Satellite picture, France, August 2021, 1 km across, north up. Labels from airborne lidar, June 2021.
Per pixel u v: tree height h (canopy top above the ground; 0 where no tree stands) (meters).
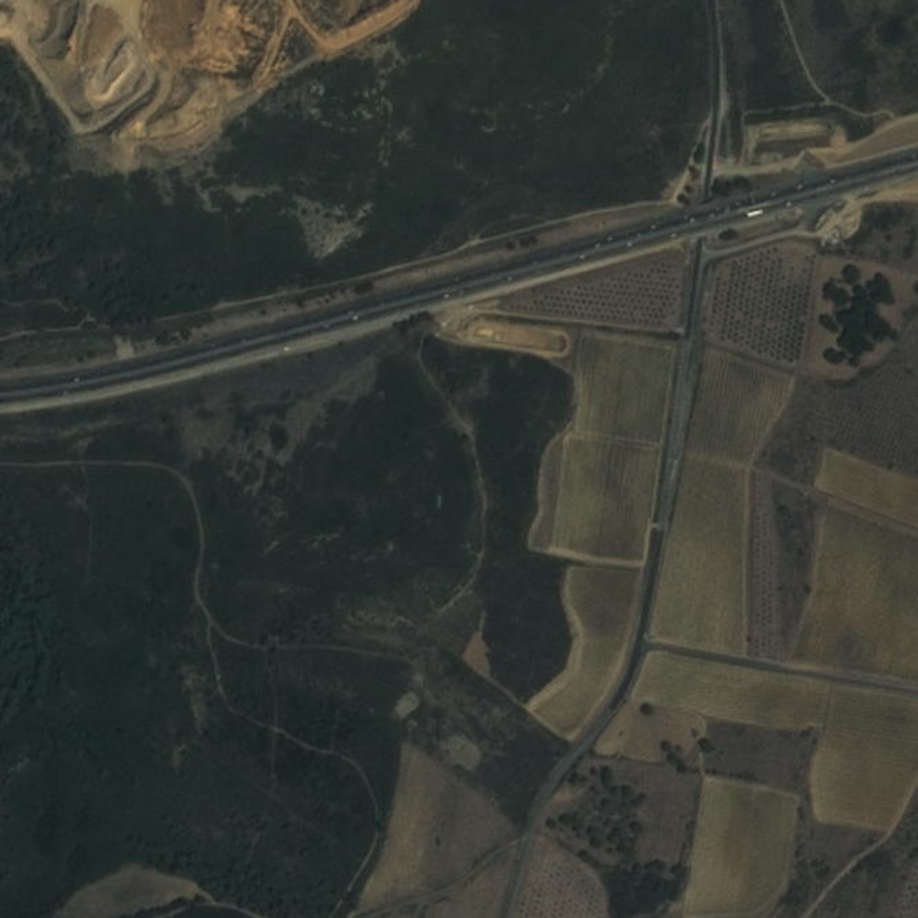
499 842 0
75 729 6
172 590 0
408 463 0
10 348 0
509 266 0
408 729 0
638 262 0
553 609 0
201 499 0
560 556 0
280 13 0
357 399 0
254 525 0
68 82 0
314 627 7
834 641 0
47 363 0
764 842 0
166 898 0
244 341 0
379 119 0
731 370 0
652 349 0
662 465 0
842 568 0
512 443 0
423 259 0
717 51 0
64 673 8
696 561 0
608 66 0
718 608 0
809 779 0
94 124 0
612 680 0
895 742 0
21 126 7
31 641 11
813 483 0
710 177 0
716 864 0
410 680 0
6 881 8
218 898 12
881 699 0
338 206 0
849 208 0
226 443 0
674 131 0
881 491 0
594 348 0
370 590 0
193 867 14
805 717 0
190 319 0
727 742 0
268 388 0
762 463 0
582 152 0
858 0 0
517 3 0
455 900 0
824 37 0
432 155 0
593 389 0
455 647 0
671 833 0
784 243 0
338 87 0
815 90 0
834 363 9
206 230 0
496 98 0
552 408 0
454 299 0
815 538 0
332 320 0
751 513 0
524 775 0
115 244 0
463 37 0
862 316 10
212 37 0
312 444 0
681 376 0
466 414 0
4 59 7
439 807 0
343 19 0
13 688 10
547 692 0
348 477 0
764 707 0
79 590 0
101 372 0
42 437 0
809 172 0
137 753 0
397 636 0
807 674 0
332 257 0
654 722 0
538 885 0
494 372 0
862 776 0
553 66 0
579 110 0
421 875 0
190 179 0
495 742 0
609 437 0
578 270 0
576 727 0
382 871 0
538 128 0
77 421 0
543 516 0
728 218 0
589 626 0
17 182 0
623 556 0
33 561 6
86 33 0
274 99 0
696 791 0
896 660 0
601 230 0
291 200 0
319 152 0
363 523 0
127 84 0
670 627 0
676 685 0
